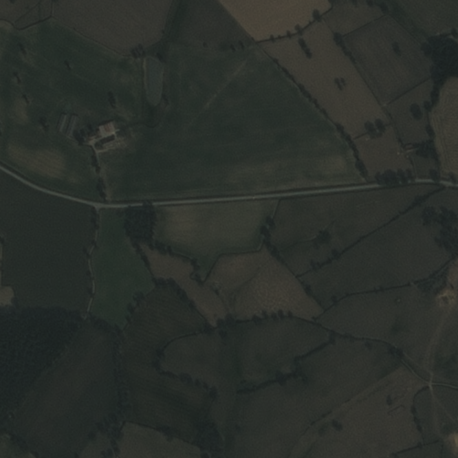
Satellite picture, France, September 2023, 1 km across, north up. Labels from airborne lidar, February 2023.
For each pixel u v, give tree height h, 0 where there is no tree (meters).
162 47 0
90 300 0
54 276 0
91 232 0
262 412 0
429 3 0
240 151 0
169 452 0
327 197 0
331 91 0
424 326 0
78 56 0
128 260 0
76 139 20
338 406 0
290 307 0
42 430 0
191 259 0
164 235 0
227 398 0
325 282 0
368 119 0
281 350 0
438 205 0
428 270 0
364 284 0
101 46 0
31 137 0
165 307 0
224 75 0
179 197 0
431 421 0
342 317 0
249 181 0
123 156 0
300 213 0
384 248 0
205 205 0
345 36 0
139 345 0
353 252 0
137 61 0
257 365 0
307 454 0
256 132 0
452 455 0
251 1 0
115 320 0
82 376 0
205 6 0
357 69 0
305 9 0
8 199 0
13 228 0
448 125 0
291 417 0
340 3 0
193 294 0
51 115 0
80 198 0
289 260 0
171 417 0
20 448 15
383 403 0
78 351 0
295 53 0
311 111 0
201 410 0
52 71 0
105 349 0
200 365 0
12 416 15
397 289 0
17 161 0
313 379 0
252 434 0
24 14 0
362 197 0
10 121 0
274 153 0
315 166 0
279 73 0
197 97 0
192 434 0
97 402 0
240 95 0
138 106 0
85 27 0
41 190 0
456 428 0
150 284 0
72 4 0
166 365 0
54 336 15
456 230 8
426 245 0
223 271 0
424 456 0
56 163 0
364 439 0
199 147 0
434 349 0
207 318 0
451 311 0
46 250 0
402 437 0
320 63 0
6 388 13
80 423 0
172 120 0
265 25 0
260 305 0
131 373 0
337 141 0
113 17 0
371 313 0
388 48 0
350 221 0
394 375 0
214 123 0
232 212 0
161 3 0
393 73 0
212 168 0
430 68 0
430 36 0
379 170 0
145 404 0
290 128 0
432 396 0
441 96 0
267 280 0
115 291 0
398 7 0
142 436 0
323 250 0
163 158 0
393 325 0
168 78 0
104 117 0
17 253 0
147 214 14
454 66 17
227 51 0
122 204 0
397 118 0
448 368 0
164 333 0
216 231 0
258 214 0
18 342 13
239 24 0
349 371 0
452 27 0
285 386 0
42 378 0
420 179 0
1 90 0
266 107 0
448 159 0
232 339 0
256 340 0
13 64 0
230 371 0
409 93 0
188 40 0
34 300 0
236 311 0
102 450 0
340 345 0
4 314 18
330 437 0
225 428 0
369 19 0
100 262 0
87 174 0
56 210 0
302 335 0
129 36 0
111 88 0
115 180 0
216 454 9
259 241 0
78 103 0
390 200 0
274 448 0
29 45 0
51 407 0
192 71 0
